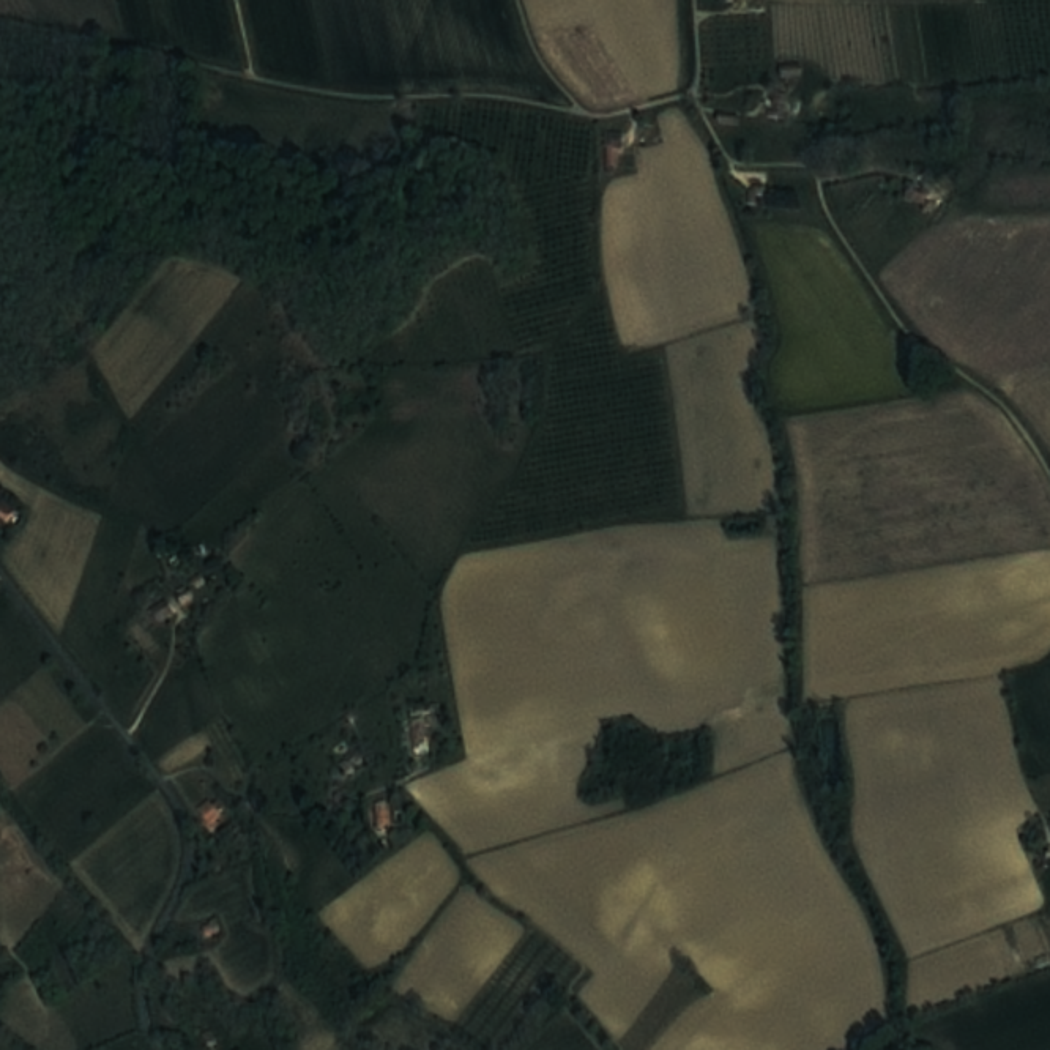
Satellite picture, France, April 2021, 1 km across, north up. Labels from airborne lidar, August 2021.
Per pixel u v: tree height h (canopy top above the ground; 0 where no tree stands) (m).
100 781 0
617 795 13
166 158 20
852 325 0
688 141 0
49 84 16
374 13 0
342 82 0
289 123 0
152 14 0
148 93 25
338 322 15
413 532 0
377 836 15
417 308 16
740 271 0
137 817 0
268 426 0
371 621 0
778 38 0
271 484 0
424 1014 18
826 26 0
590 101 0
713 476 0
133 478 0
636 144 0
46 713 0
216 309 0
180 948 7
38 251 18
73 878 8
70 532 0
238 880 0
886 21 0
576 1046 0
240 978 0
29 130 22
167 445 0
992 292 0
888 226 0
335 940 13
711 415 0
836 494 0
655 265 0
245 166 28
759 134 0
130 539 0
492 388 17
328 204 16
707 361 0
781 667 0
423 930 0
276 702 0
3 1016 0
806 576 0
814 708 11
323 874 0
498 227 21
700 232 0
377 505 0
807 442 0
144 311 0
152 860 0
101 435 0
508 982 0
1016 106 0
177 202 27
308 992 6
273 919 16
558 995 22
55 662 10
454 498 0
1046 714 0
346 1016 12
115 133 23
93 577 0
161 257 9
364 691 0
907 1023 15
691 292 0
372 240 22
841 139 18
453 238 19
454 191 20
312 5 0
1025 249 0
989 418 0
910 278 0
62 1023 0
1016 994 0
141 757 16
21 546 0
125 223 23
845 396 0
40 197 21
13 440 0
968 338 0
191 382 8
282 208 24
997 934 0
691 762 10
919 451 0
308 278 15
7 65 20
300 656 0
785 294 0
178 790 0
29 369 16
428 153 24
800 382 0
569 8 0
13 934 0
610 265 0
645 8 0
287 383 8
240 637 0
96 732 0
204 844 11
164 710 0
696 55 0
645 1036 0
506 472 0
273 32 0
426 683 8
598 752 12
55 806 0
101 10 0
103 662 0
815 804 9
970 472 0
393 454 0
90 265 16
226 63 0
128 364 0
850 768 14
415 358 0
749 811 0
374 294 18
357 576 0
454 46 0
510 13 0
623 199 0
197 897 0
